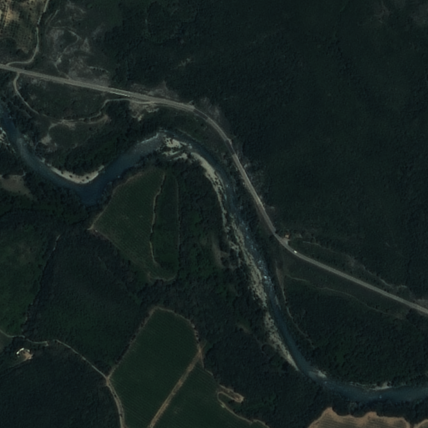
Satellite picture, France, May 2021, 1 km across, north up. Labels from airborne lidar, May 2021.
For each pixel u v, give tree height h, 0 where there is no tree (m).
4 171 8
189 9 9
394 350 12
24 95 8
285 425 10
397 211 7
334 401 15
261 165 5
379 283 7
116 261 13
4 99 16
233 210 0
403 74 8
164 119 6
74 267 7
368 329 11
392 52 9
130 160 0
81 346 8
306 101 6
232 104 6
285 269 0
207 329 13
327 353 10
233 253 18
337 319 12
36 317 11
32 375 8
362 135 8
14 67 0
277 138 6
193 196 11
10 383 8
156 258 8
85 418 7
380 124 6
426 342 11
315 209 6
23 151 0
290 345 0
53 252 10
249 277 13
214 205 15
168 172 0
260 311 18
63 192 21
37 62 9
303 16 6
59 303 7
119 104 10
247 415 7
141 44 6
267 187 6
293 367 33
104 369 12
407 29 10
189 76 9
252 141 9
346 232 7
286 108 7
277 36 6
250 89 8
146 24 7
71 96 0
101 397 9
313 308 8
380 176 8
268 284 0
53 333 8
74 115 8
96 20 0
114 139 16
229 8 6
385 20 6
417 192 10
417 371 18
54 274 10
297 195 8
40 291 8
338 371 6
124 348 6
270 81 14
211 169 0
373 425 0
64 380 10
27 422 8
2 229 13
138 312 6
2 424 10
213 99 8
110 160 7
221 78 6
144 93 0
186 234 11
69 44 0
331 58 7
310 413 19
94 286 7
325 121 6
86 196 0
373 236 6
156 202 8
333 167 6
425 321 13
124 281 15
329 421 0
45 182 8
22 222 10
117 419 8
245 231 0
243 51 8
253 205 8
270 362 19
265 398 12
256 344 16
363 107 7
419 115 10
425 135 7
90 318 8
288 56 9
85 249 8
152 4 9
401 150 10
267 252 12
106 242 12
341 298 7
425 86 10
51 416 7
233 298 12
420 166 7
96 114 7
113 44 7
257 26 6
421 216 9
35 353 14
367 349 8
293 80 11
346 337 10
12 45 6
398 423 0
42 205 6
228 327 15
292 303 11
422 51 6
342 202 10
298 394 6
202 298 11
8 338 0
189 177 13
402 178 11
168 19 6
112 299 6
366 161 7
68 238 10
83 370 10
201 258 16
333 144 6
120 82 10
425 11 0
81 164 9
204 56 8
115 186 6
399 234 9
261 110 9
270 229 0
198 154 0
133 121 10
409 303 0
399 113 6
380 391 0
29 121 11
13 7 5
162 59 6
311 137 6
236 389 11
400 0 0
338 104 7
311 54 7
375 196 6
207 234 10
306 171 8
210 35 8
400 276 9
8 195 8
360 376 12
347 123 7
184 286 9
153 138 0
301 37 5
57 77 0
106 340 7
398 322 7
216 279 22
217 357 11
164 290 14
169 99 0
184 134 7
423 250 6
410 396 0
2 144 17
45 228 11
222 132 0
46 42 0
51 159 13
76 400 13
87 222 18
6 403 8
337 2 6
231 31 7
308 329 9
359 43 6
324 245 10
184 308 15
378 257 8
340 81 7
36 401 11
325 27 6
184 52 5
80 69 0
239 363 13
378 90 7
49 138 0
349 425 0
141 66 6
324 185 7
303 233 9
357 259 9
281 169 6
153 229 9
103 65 0
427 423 0
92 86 0
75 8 0
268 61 8
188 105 0
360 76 10
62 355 14
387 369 9
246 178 0
